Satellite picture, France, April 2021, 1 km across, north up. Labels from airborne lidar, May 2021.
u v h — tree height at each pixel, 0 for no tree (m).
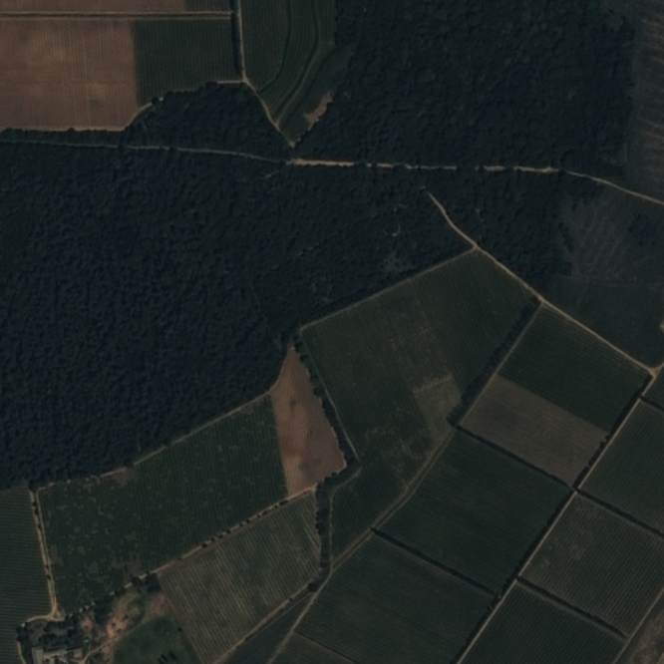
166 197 10
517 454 0
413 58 8
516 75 8
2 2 0
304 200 13
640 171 0
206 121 8
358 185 16
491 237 11
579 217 0
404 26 8
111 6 0
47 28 0
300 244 15
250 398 6
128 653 0
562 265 6
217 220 9
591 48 9
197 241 16
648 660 0
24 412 16
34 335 13
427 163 10
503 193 10
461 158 8
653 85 0
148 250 12
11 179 13
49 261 12
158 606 0
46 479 14
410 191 9
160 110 9
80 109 0
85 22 0
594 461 9
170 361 6
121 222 10
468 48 7
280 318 9
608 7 0
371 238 6
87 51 0
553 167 10
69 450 10
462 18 9
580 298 0
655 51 0
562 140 8
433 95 8
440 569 24
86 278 10
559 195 13
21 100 0
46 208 13
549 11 7
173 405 15
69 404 17
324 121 8
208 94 8
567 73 10
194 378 12
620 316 0
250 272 8
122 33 0
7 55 0
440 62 6
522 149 7
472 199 6
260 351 13
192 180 12
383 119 12
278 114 0
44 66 0
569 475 0
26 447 15
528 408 0
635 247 0
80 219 12
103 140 9
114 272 13
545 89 6
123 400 7
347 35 7
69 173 9
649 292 0
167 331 14
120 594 9
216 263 11
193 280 8
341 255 7
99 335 14
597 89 11
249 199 12
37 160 9
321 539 6
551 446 0
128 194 6
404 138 14
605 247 0
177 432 11
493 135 12
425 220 6
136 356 8
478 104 7
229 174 8
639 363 0
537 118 6
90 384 16
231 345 15
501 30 10
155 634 0
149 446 11
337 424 8
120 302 13
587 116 10
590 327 0
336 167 7
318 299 8
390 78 14
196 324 14
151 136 9
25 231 12
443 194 9
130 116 0
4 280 11
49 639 11
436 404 0
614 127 12
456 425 25
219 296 11
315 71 0
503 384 0
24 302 10
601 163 11
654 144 0
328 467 0
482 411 0
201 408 9
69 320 14
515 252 8
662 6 0
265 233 14
